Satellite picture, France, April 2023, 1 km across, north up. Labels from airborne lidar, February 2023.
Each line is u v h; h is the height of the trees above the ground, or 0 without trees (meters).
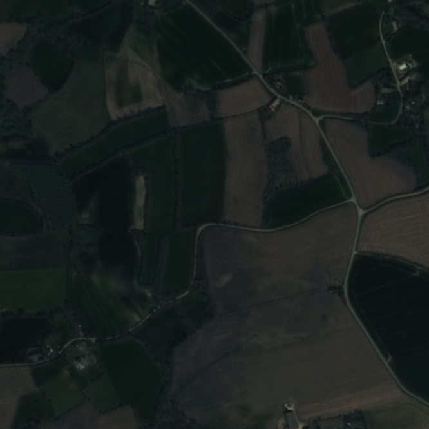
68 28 0
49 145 0
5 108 9
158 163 0
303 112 0
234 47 0
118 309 0
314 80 0
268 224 0
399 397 0
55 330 12
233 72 0
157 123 0
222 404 0
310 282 0
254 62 0
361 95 0
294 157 0
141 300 0
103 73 0
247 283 0
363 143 0
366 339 0
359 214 0
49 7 0
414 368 0
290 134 0
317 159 0
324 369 0
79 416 0
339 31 0
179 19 0
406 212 0
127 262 0
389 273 0
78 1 0
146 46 0
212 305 14
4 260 0
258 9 0
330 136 0
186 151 0
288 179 0
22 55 10
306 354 0
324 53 0
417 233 0
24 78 0
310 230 0
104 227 0
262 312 0
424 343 0
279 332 0
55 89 10
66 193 35
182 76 0
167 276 0
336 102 0
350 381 0
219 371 0
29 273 0
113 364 0
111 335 0
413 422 0
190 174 0
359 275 0
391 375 0
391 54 0
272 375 0
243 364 0
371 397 0
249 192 0
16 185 0
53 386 0
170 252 0
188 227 8
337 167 0
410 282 0
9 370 0
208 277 0
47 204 36
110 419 0
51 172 34
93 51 0
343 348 0
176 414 19
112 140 0
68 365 0
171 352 17
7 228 0
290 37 0
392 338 0
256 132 0
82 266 0
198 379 0
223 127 0
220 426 0
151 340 0
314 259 0
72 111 0
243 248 0
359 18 0
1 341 0
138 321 0
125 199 0
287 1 0
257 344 0
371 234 0
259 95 0
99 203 0
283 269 0
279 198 0
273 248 0
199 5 0
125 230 0
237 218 0
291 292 0
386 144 0
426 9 0
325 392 0
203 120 0
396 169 0
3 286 0
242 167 0
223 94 0
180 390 0
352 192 0
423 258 0
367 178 0
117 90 0
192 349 0
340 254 0
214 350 0
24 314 16
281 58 0
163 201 0
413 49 0
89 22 0
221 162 0
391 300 0
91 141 7
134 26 10
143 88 0
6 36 0
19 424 0
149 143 8
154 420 14
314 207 0
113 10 0
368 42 0
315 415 0
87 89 0
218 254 0
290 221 0
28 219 0
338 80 0
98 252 0
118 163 0
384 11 8
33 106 0
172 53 0
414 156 0
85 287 0
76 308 0
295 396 0
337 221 0
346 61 10
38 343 0
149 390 0
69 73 11
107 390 0
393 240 0
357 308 0
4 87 10
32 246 0
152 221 0
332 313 0
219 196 0
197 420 0
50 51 0
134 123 0
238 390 0
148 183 10
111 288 0
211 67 0
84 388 0
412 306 0
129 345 0
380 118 0
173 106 0
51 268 0
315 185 0
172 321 0
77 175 10
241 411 0
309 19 0
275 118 0
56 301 0
